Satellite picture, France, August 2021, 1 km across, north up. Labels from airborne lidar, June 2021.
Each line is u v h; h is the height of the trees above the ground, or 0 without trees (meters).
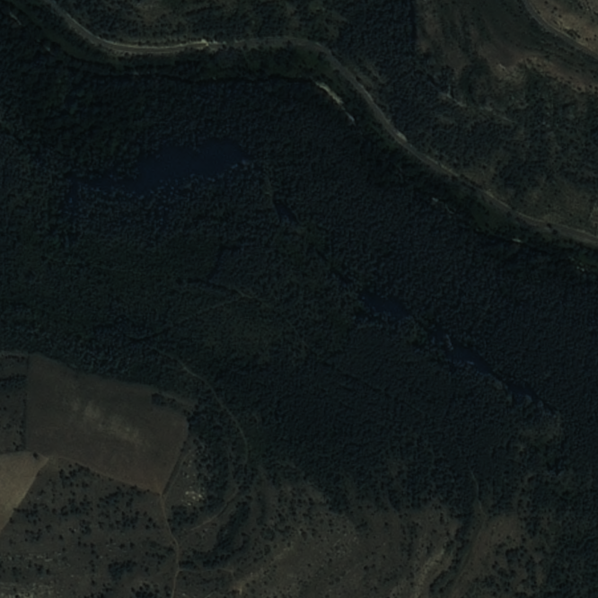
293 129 14
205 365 7
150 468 0
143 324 7
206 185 13
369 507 6
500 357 15
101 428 0
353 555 0
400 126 16
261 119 14
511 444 10
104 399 0
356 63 8
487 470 12
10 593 0
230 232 14
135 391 0
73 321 9
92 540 0
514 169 10
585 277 10
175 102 16
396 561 0
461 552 10
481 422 19
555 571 11
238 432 6
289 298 8
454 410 14
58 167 12
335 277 16
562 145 7
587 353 13
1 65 18
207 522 0
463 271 17
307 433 13
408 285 15
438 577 8
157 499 0
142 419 0
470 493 9
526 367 15
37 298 9
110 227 15
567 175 12
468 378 12
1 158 13
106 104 17
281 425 13
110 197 13
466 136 14
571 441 15
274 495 0
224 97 12
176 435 0
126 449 0
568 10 0
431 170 6
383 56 12
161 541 0
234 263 15
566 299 15
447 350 7
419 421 11
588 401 16
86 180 8
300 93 26
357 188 18
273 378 14
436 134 12
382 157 17
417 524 6
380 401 10
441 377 11
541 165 10
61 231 16
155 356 10
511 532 0
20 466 0
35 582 0
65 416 0
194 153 15
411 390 11
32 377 0
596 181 9
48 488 0
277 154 12
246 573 0
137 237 18
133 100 20
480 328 14
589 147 8
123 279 6
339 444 10
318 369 14
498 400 12
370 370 11
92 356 9
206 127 11
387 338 11
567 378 15
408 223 9
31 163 19
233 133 13
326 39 11
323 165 15
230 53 18
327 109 20
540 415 7
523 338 15
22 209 10
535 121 12
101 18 10
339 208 19
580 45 0
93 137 19
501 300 10
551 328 17
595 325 21
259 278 6
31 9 7
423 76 12
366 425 11
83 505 9
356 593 0
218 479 8
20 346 6
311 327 12
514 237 6
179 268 6
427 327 7
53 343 10
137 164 16
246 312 5
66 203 11
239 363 8
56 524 0
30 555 0
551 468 10
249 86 19
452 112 8
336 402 11
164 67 11
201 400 8
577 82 0
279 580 0
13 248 8
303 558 0
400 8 13
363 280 8
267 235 19
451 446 13
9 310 7
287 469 6
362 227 16
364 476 10
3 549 0
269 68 18
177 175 19
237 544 0
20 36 10
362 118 19
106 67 12
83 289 6
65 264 13
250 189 16
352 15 14
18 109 16
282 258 11
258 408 12
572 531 11
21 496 0
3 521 0
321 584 0
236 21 17
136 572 0
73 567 0
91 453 0
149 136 13
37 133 14
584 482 11
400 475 9
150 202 20
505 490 9
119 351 13
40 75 22
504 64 0
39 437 0
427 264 12
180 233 6
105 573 0
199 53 12
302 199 17
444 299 11
